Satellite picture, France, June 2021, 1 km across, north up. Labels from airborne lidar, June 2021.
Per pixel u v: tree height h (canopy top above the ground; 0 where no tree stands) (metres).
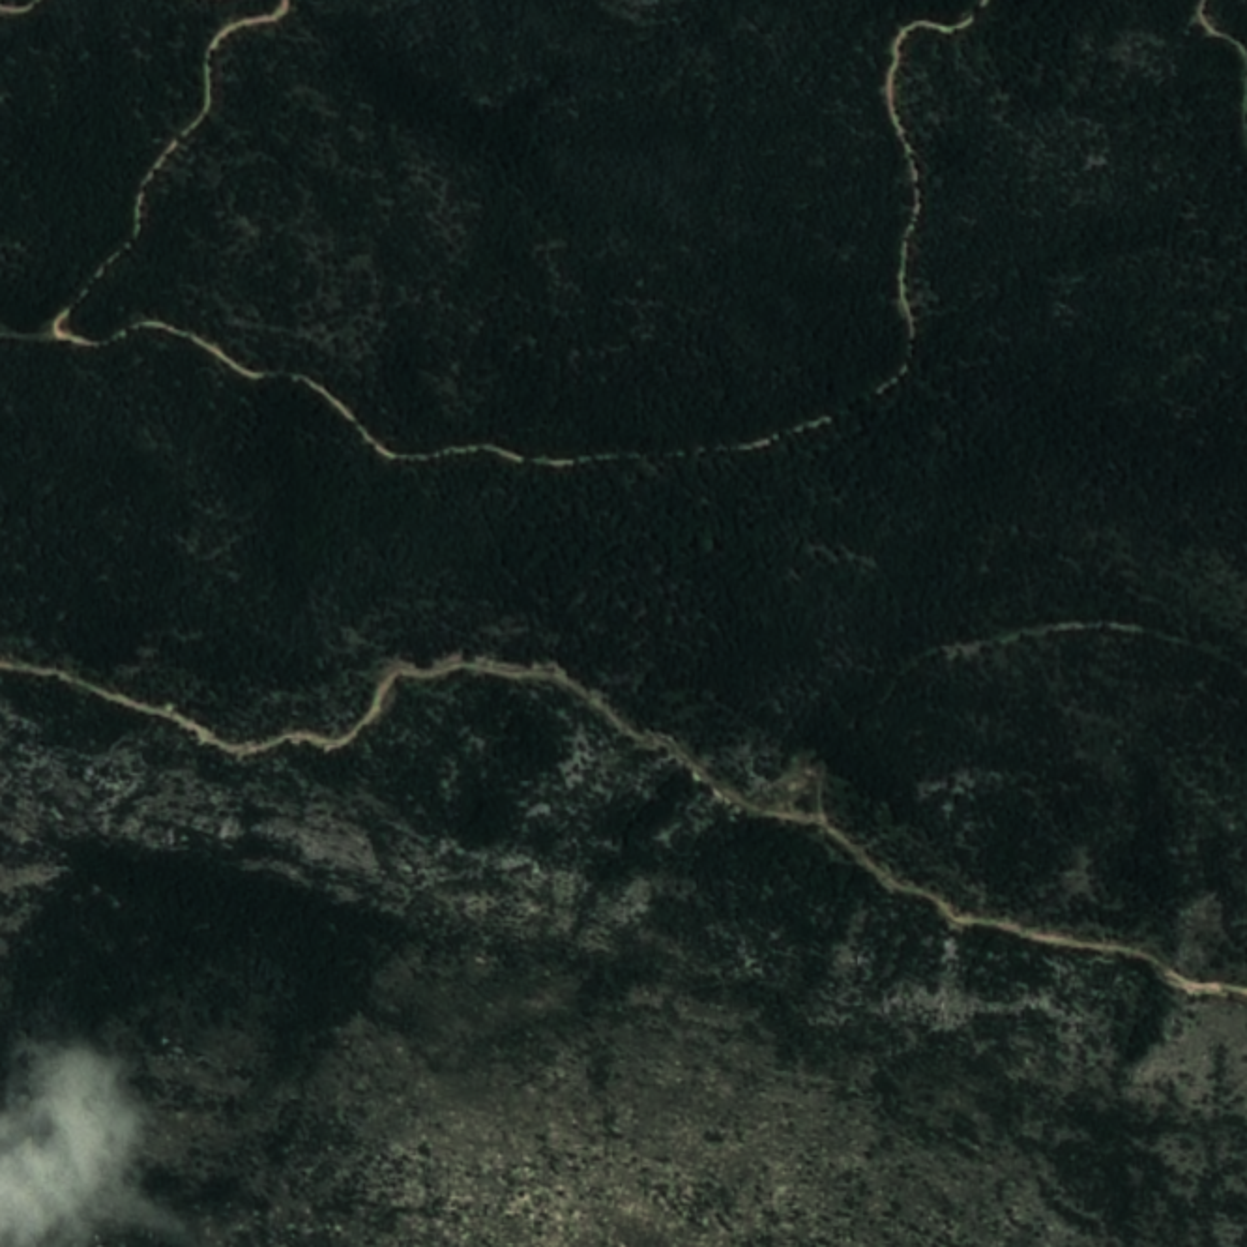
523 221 12
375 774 7
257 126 6
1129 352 11
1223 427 9
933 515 9
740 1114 0
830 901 9
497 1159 0
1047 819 11
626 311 11
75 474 7
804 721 11
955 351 12
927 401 11
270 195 8
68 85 10
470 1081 0
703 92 8
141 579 10
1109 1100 0
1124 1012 13
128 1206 0
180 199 8
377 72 18
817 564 10
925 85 7
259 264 6
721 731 7
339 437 11
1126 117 7
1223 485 16
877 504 16
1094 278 10
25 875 0
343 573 7
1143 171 8
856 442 11
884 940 7
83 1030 9
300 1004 10
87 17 8
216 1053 0
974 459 9
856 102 10
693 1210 0
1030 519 8
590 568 11
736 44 11
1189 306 11
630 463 16
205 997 7
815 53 11
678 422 16
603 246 8
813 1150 0
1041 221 10
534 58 6
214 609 9
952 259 9
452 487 11
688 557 16
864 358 12
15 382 7
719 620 13
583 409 8
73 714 6
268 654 10
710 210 10
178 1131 0
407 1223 0
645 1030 0
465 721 6
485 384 9
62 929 10
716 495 12
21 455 9
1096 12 7
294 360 9
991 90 9
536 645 8
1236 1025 0
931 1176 0
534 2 14
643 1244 0
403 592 7
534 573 11
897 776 8
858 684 12
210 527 6
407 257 9
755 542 14
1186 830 7
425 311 8
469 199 6
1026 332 11
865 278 6
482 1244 0
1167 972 0
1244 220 6
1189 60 7
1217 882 8
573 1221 0
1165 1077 0
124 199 8
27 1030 6
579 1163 0
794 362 12
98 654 16
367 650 7
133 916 8
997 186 7
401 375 17
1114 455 18
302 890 7
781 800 0
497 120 16
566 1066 0
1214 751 8
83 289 7
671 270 7
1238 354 7
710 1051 0
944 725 9
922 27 8
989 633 6
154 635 8
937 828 6
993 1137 0
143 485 13
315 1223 0
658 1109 0
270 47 8
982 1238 0
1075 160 6
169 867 10
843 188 13
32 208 12
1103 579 10
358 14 7
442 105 12
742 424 15
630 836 13
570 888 0
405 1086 0
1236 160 11
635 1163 0
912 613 11
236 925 10
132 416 7
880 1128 0
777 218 10
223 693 7
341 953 11
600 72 11
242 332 6
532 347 7
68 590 12
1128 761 7
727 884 8
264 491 13
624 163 9
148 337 8
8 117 10
